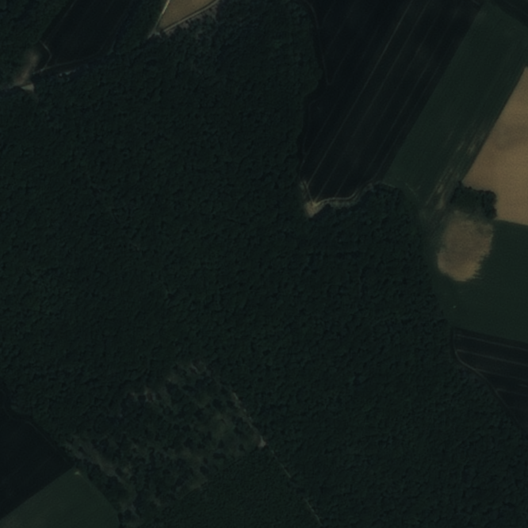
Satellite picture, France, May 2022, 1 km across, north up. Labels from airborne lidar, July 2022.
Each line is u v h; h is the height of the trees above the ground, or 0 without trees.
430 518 24
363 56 0
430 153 0
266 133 30
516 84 0
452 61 0
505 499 31
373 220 19
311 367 23
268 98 29
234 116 26
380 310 26
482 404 22
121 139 27
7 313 27
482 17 0
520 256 0
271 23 29
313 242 28
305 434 25
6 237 28
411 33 0
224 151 28
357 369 29
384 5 0
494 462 28
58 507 0
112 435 29
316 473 20
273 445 25
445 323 23
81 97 26
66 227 27
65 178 21
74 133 26
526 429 0
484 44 0
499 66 0
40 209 26
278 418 26
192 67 22
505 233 0
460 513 23
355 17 0
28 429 0
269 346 23
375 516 24
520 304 0
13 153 26
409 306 22
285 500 7
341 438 18
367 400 30
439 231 0
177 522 7
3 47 27
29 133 27
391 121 0
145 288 26
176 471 27
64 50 0
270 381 21
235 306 21
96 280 24
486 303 0
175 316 23
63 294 24
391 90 0
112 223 24
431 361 26
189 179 30
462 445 18
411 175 0
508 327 0
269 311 27
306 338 26
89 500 0
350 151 0
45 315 22
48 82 18
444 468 25
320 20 0
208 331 27
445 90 0
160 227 21
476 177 0
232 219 25
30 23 31
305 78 29
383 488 26
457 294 0
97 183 24
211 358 22
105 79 23
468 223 0
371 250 30
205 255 24
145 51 23
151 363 24
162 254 25
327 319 27
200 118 28
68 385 27
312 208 0
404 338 24
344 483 26
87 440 28
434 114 0
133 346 26
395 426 22
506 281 0
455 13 0
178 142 28
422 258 17
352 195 0
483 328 0
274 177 30
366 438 19
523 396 0
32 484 0
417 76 0
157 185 28
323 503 24
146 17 25
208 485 7
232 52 28
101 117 26
